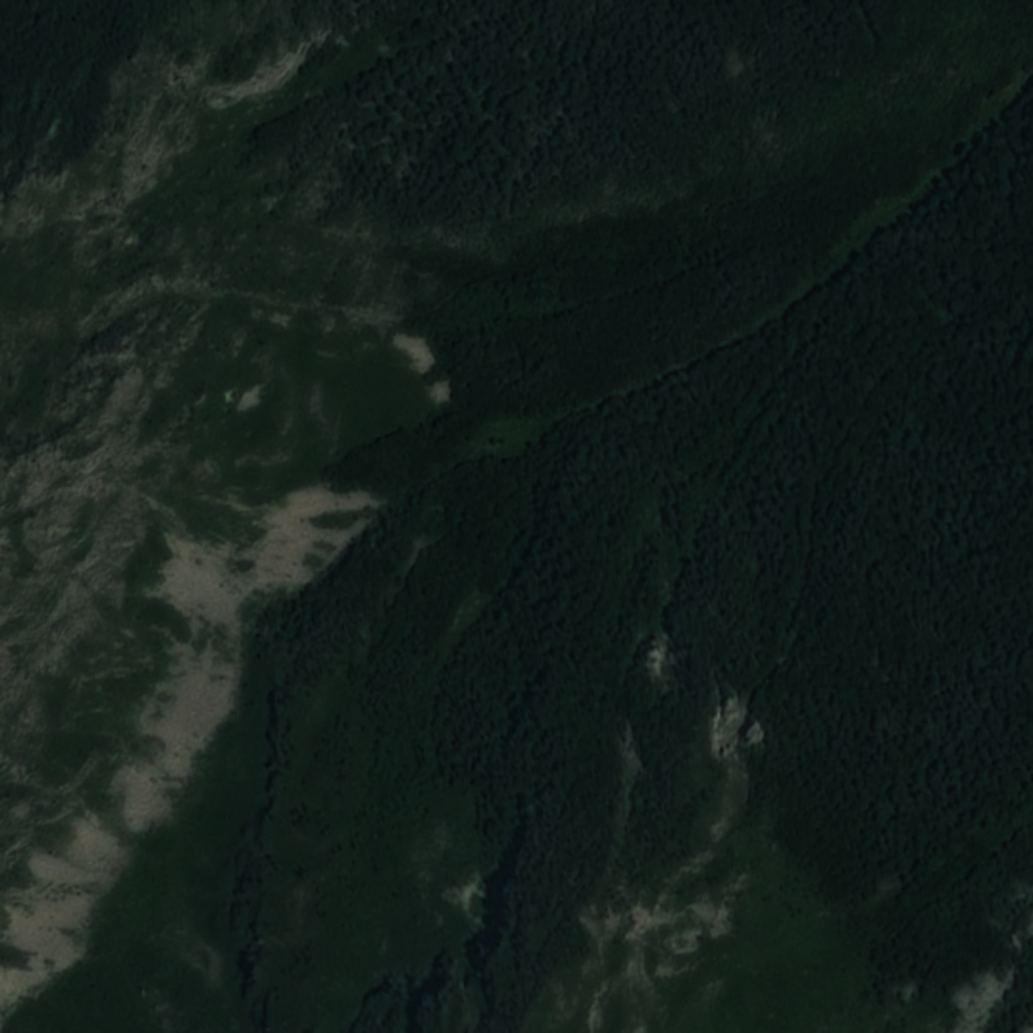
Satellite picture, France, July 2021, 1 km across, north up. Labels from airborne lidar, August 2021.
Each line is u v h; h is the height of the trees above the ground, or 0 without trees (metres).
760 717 13
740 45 6
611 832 7
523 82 19
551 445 18
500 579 12
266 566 0
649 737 15
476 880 0
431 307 9
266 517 0
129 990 0
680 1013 0
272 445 0
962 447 21
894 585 23
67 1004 0
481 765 13
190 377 0
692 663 8
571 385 17
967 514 19
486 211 18
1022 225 27
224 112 0
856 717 32
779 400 20
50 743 0
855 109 11
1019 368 27
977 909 17
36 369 0
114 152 0
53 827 0
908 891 15
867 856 17
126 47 7
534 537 11
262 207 0
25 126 10
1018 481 35
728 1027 0
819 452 25
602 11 15
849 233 18
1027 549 18
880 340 23
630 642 11
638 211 14
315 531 0
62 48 8
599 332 16
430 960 0
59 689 0
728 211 19
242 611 0
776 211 22
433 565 20
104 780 0
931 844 21
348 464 12
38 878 0
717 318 16
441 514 14
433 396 0
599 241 9
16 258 0
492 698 10
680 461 24
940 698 24
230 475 0
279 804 0
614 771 9
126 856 0
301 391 0
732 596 12
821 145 11
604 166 8
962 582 22
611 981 0
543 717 12
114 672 0
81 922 0
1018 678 27
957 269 29
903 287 29
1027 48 13
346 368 0
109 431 0
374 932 0
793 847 9
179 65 6
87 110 7
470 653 13
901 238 29
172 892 0
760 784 12
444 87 33
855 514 22
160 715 0
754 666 25
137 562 0
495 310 6
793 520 18
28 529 0
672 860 8
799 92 20
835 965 0
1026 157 18
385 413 0
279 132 12
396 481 16
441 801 0
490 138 35
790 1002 0
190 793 0
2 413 0
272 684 0
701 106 17
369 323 0
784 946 0
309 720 0
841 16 25
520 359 11
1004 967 13
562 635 17
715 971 0
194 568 0
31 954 0
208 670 0
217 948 0
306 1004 0
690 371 16
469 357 18
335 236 0
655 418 15
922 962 13
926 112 16
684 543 10
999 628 23
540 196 15
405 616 12
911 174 19
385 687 15
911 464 20
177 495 0
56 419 0
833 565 18
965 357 22
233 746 0
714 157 7
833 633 19
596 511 15
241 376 0
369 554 13
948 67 12
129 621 0
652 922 0
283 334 0
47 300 0
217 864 0
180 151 0
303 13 13
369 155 12
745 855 0
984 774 20
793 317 22
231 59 7
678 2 21
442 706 12
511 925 9
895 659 17
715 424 19
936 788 28
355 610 9
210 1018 0
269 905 0
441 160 27
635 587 11
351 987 0
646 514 16
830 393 29
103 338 6
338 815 0
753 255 24
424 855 0
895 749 19
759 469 28
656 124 19
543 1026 0
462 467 19
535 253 8
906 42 17
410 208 15
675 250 22
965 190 25
